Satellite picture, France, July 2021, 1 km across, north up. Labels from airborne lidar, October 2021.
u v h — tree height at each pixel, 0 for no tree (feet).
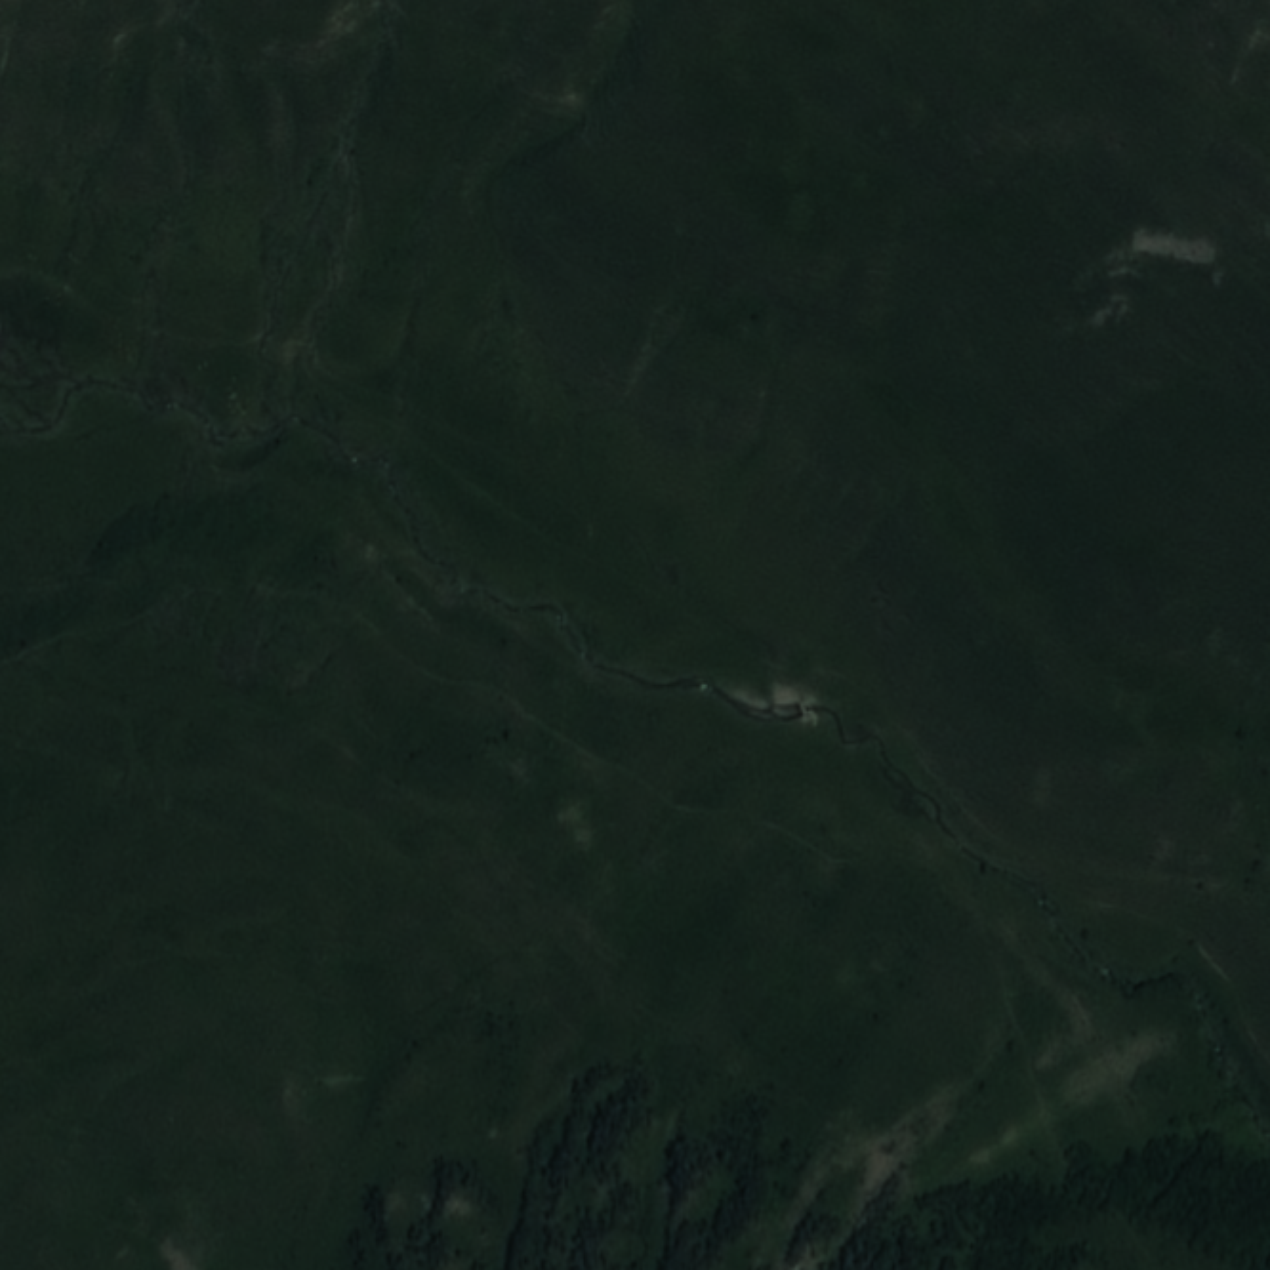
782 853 0
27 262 0
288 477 0
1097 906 0
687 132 0
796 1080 0
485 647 0
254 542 0
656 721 0
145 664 0
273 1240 0
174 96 0
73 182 0
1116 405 0
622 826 0
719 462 0
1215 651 0
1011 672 0
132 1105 0
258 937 0
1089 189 0
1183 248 0
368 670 0
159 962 0
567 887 0
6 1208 0
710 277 0
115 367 0
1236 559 0
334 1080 0
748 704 0
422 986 0
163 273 0
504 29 0
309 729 0
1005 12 0
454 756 0
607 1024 0
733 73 0
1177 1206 34
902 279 0
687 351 0
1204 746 0
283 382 0
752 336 0
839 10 0
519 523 0
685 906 0
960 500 0
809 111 0
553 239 0
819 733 0
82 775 0
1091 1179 22
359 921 0
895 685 0
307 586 0
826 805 0
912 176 0
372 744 0
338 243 0
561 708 0
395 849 0
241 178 0
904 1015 0
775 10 0
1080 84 0
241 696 0
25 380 0
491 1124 0
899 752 0
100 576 0
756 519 0
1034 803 0
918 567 0
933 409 0
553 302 0
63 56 0
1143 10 0
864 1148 0
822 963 0
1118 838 0
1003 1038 0
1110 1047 0
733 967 0
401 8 0
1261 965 0
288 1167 0
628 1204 30
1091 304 0
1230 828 0
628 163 0
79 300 0
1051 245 0
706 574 0
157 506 0
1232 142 0
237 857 0
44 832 0
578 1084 40
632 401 0
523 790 0
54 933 0
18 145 0
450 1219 0
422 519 0
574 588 0
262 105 0
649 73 0
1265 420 0
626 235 0
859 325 0
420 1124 0
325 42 0
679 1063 0
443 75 0
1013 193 0
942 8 0
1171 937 0
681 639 0
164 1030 0
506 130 0
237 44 0
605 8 0
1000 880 0
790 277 0
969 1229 20
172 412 0
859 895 0
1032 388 0
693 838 0
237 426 0
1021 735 0
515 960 0
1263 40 0
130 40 0
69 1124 0
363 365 0
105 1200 0
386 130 0
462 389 0
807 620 0
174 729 0
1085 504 0
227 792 0
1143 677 0
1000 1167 0
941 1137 0
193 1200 0
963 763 0
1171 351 0
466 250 0
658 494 0
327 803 0
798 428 0
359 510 0
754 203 0
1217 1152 23
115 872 0
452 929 0
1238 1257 39
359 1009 0
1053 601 0
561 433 0
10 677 0
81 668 0
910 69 0
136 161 0
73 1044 0
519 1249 35
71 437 0
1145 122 0
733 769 0
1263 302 0
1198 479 0
